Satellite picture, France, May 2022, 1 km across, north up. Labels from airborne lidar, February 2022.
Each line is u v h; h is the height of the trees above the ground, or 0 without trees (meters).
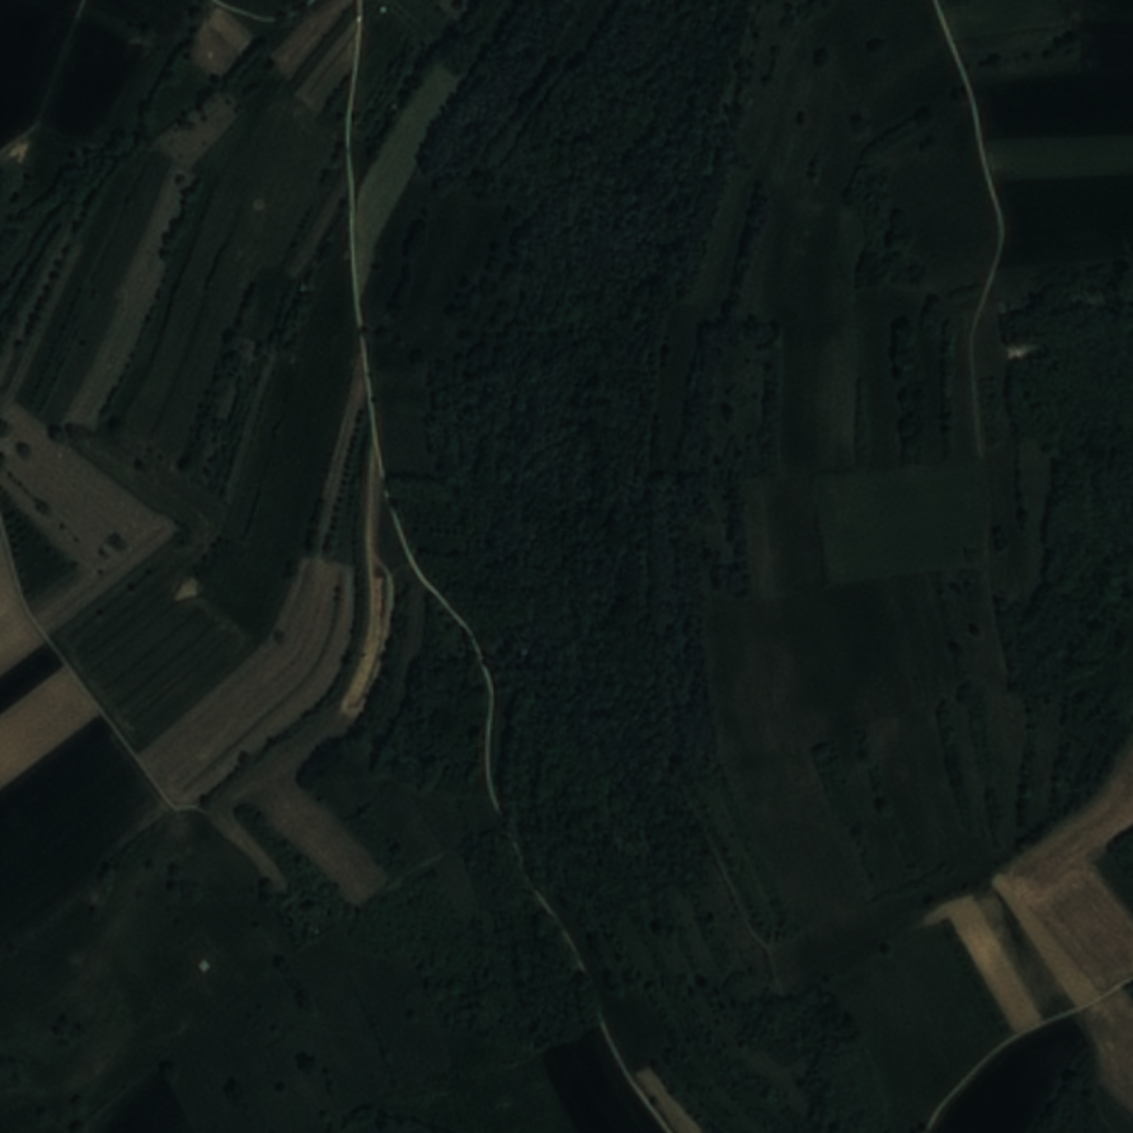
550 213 14
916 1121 0
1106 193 0
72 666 0
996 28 0
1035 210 0
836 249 0
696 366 6
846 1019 11
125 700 0
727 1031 0
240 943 0
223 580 0
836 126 0
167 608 0
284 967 10
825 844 0
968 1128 0
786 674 0
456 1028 6
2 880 0
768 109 0
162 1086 0
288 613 0
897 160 0
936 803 0
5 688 0
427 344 0
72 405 0
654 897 11
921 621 0
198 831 0
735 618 0
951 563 0
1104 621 17
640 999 0
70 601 0
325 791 0
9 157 0
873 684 0
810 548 0
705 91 12
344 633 0
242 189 0
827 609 0
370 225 0
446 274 0
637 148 14
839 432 0
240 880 0
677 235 6
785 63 0
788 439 0
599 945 10
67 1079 0
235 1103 10
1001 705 0
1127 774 0
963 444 0
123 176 0
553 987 21
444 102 0
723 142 11
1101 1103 0
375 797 0
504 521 16
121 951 0
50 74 0
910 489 0
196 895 8
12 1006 0
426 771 14
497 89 14
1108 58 0
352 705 0
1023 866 0
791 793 0
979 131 0
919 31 0
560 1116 0
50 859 0
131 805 0
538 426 15
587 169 14
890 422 0
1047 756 0
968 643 0
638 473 8
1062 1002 0
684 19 13
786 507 0
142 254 0
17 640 0
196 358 0
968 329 0
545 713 11
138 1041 0
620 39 14
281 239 0
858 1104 16
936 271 0
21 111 0
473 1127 0
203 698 0
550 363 14
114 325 0
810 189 0
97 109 0
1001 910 0
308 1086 0
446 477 13
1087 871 0
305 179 0
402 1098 0
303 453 0
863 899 0
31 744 0
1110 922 0
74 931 0
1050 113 0
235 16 0
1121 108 0
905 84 0
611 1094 0
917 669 0
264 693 0
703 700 13
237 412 6
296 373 0
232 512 0
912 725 0
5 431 11
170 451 0
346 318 0
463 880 0
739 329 13
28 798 0
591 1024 15
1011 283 0
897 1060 0
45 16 0
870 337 0
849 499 0
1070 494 21
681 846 6
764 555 0
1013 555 0
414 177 0
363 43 0
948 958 0
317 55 0
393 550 0
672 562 8
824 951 0
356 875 0
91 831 0
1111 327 20
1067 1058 0
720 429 0
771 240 0
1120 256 0
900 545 0
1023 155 0
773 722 0
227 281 0
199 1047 0
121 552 13
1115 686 17
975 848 0
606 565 16
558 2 15
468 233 0
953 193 0
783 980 0
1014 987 0
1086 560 18
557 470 13
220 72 0
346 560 0
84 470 0
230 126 0
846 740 0
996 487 0
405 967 0
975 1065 0
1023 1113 0
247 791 0
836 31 0
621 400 10
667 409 0
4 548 0
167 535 0
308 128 0
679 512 14
